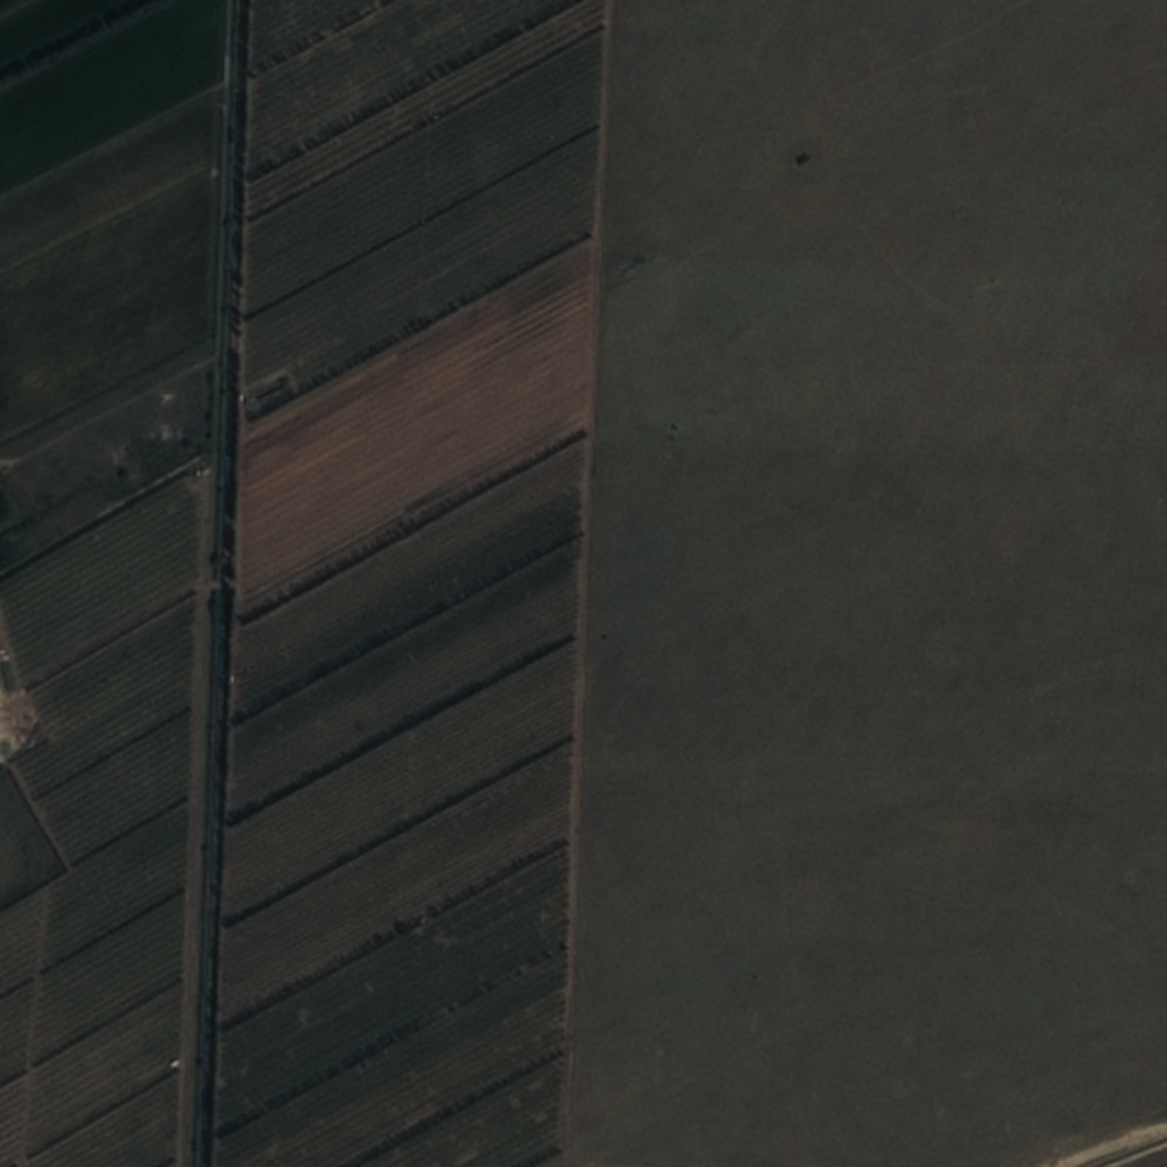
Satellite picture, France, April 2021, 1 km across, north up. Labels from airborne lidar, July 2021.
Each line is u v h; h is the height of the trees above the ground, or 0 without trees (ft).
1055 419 0
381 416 0
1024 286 0
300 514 0
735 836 0
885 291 0
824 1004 0
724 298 0
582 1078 0
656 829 0
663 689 0
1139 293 0
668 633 0
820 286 0
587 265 0
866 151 0
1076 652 0
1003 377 0
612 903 0
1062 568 0
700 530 0
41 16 0
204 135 0
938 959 0
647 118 0
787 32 0
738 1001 0
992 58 0
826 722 0
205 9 0
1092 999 0
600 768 0
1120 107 0
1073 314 0
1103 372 0
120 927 24
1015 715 0
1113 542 0
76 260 0
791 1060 0
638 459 0
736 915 0
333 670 41
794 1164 0
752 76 0
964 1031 0
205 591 0
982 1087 0
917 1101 0
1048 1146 0
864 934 0
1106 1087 0
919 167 0
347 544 0
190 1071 0
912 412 0
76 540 31
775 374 0
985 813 0
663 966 0
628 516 0
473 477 0
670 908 0
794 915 0
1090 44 0
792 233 0
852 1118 0
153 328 0
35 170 0
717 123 0
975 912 0
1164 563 0
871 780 0
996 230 0
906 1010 0
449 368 0
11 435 0
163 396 0
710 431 0
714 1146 0
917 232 0
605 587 0
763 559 0
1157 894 0
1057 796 0
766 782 0
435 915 49
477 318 0
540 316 0
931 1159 0
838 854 0
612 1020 0
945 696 0
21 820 0
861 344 0
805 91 0
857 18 0
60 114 0
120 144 0
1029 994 0
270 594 0
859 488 0
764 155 0
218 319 0
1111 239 0
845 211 0
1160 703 0
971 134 0
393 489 0
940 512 0
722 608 0
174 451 0
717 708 0
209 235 0
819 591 0
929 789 0
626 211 0
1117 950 0
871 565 0
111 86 0
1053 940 0
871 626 0
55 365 0
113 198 0
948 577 0
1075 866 0
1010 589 0
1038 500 0
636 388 0
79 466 0
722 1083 0
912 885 0
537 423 0
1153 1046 0
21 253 0
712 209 0
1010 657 0
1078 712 0
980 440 0
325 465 0
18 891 0
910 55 0
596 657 0
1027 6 0
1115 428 0
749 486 0
